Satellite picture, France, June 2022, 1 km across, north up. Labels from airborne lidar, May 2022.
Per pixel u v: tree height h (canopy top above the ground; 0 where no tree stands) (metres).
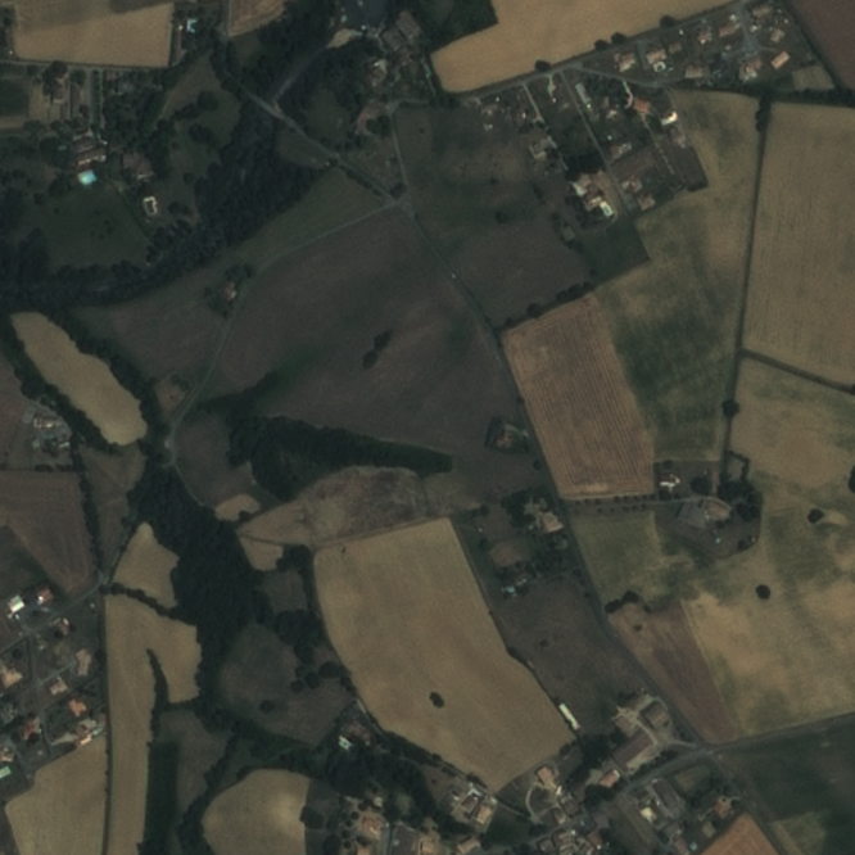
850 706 0
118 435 0
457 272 0
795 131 0
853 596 0
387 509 0
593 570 0
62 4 0
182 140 0
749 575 0
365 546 0
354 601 0
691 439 0
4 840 0
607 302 0
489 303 0
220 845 0
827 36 0
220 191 32
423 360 0
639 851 0
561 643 0
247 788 0
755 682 0
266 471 14
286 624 16
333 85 21
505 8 0
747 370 0
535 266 0
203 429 0
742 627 0
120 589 11
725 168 0
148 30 0
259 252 0
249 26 0
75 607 0
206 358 0
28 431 0
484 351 0
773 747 0
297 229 0
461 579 0
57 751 0
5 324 23
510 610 0
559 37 0
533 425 0
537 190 8
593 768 12
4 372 0
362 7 0
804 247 0
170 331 0
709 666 0
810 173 0
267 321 0
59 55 0
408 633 0
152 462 12
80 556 0
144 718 0
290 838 0
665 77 0
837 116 0
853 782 0
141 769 0
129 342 0
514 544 0
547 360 0
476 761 0
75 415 16
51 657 0
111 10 0
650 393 0
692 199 0
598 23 0
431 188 0
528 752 0
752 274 0
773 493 0
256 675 0
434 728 0
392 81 8
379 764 13
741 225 0
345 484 0
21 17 0
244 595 22
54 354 0
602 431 0
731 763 0
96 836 0
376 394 0
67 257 0
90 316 0
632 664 0
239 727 14
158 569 0
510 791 0
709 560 0
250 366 0
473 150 0
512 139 0
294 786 0
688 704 0
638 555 0
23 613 0
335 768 15
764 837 0
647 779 0
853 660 0
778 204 0
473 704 0
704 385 0
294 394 0
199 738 0
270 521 0
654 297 0
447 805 0
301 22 15
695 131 0
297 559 16
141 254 0
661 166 0
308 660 14
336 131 0
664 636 0
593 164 11
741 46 0
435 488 0
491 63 0
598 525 0
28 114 0
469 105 0
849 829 0
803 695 0
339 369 0
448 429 0
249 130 13
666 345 0
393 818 13
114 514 0
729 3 0
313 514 0
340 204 0
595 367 0
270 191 18
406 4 19
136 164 0
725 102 0
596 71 0
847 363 0
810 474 0
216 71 10
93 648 0
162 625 0
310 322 0
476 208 0
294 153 0
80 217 0
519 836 0
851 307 0
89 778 0
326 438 17
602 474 0
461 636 0
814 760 0
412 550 0
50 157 12
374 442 8
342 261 0
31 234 0
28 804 0
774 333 0
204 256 10
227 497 0
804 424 0
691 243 0
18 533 0
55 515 0
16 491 0
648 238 0
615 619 0
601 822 0
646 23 0
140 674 0
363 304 0
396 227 0
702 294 0
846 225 0
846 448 0
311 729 0
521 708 0
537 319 12
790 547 0
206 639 16
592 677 0
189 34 9
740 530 0
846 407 0
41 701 0
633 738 0
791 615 0
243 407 7
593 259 0
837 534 0
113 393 0
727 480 11
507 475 0
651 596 0
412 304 0
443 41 8
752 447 0
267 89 16
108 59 0
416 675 0
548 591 0
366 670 0
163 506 15
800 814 0
